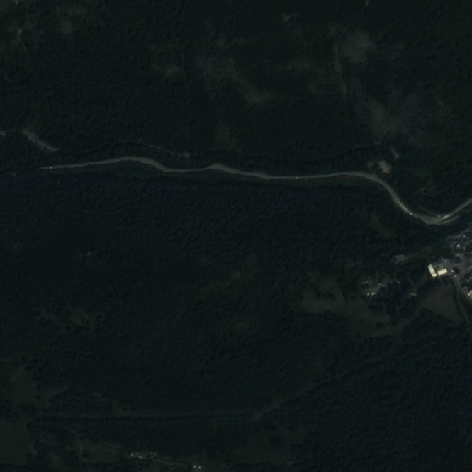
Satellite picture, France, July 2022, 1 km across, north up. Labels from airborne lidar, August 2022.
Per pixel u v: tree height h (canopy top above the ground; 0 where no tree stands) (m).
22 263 19
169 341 17
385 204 14
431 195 13
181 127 19
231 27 14
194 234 21
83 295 21
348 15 15
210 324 17
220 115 10
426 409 22
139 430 16
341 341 15
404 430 22
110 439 7
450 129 8
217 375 23
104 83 14
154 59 14
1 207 8
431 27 16
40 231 27
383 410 20
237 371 21
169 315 10
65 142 23
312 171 16
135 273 21
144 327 15
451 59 21
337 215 18
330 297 17
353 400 25
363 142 19
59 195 31
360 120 10
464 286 7
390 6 16
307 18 16
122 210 40
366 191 7
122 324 16
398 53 8
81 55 20
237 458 0
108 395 12
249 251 9
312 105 17
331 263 17
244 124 27
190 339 16
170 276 26
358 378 23
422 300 12
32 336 25
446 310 0
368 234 16
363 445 24
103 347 18
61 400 15
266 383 14
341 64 13
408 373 17
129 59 19
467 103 19
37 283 25
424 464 24
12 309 25
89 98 13
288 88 19
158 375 18
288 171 20
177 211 30
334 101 15
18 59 15
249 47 17
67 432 18
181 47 17
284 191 29
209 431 18
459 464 26
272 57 17
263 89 16
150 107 24
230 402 9
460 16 14
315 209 30
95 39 12
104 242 28
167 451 7
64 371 10
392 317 22
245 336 15
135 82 17
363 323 6
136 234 19
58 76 20
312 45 9
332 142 22
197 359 16
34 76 13
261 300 22
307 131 22
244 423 15
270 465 9
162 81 26
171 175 6
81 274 23
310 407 18
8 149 18
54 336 18
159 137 30
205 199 18
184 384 16
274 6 17
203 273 16
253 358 24
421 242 20
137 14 13
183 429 14
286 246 22
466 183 14
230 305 17
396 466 24
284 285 19
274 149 15
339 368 16
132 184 30
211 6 13
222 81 13
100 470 9
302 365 11
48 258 26
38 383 8
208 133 17
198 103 22
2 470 18
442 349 19
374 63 13
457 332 18
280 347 18
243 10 15
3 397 9
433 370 25
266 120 19
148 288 21
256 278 23
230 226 22
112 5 13
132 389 15
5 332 22
